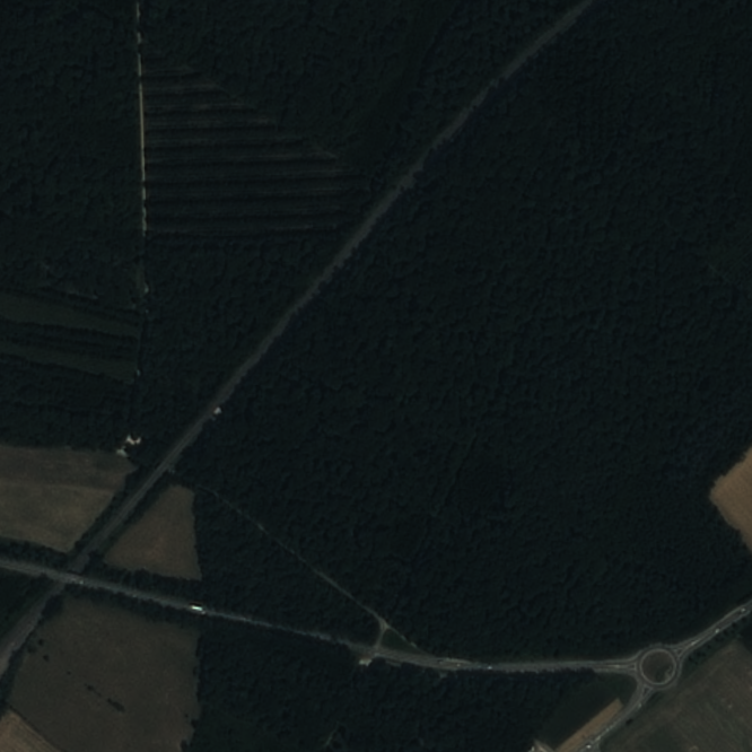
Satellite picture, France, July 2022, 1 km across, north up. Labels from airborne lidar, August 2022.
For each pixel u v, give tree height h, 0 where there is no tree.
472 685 19
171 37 21
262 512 27
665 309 25
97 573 9
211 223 10
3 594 9
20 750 0
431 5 7
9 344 11
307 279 22
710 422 28
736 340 26
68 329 10
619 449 26
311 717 25
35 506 0
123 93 16
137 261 23
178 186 11
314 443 22
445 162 26
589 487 22
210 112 8
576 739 0
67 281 20
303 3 14
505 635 26
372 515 19
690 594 13
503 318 24
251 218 13
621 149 22
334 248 15
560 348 22
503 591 24
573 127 18
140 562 0
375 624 19
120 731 0
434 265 31
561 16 12
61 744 0
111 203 21
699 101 27
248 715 19
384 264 21
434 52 16
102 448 11
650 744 0
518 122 26
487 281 29
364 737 23
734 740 0
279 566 17
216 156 5
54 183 23
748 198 14
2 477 0
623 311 24
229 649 17
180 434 9
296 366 21
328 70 27
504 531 24
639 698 0
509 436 21
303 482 22
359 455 25
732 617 0
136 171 14
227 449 20
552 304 26
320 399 27
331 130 16
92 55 9
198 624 16
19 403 21
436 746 19
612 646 20
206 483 19
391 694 22
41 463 0
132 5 7
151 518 0
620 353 28
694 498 16
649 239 25
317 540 23
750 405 26
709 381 29
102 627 0
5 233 26
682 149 25
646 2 22
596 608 24
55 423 20
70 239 22
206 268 23
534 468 22
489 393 25
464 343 25
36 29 22
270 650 18
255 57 22
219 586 21
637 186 25
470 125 13
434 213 25
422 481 23
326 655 18
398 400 22
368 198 10
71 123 19
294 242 22
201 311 20
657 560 20
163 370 22
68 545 0
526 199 25
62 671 0
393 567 14
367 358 28
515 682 16
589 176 23
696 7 25
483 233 22
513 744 20
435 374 23
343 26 25
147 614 6
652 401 29
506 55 26
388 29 27
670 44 26
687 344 26
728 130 26
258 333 20
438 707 19
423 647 11
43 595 0
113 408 6
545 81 22
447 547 25
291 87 22
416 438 23
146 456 18
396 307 23
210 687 21
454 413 26
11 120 23
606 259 20
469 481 11
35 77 21
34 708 0
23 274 18
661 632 20
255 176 6
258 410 25
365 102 21
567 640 25
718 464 19
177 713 0
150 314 21
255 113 11
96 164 22
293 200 12
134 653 0
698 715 0
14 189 25
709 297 26
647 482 22
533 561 25
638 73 25
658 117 21
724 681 0
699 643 0
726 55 14
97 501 0
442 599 20
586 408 24
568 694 19
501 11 25
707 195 26
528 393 27
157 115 8
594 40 24
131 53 23
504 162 24
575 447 19
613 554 17
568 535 24
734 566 20
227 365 18
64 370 11
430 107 22
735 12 22
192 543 0
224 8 18
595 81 20
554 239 23
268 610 18
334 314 23
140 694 0
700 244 26
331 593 17
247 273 22
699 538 21
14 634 0
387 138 6
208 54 12
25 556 11
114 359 11
